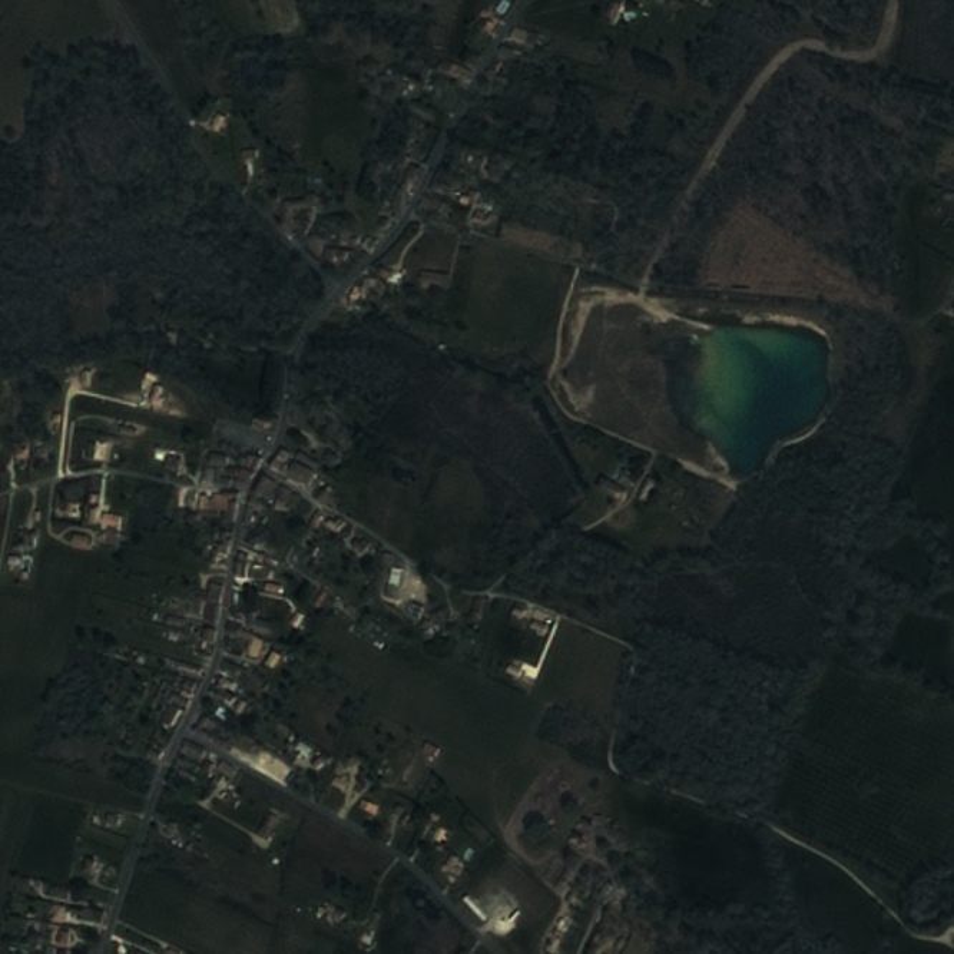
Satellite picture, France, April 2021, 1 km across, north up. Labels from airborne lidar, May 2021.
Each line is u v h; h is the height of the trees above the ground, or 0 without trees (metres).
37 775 0
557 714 7
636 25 0
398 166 11
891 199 27
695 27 0
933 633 0
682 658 22
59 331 15
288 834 0
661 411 0
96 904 7
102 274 13
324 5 13
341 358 21
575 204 16
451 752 0
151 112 23
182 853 0
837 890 0
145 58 16
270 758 0
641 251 13
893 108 17
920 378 0
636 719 21
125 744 9
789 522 18
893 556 0
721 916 21
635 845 0
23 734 0
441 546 0
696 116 9
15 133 13
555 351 0
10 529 0
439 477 0
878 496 16
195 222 16
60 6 0
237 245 10
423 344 20
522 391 14
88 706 11
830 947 16
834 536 11
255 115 10
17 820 0
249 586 7
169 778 7
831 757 10
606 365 0
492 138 14
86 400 0
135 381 0
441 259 0
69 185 9
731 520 15
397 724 0
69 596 0
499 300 0
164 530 9
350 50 0
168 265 12
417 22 7
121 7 0
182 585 6
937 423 0
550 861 0
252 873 0
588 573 18
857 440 19
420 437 0
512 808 0
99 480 0
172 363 24
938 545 22
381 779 12
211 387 20
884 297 12
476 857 0
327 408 11
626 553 16
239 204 17
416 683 0
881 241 20
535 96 0
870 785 10
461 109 0
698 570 22
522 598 0
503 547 16
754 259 0
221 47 11
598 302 0
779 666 20
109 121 17
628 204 14
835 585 0
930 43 0
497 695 0
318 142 0
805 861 8
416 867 0
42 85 11
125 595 0
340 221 7
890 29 0
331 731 10
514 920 0
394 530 0
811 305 8
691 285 17
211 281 17
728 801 9
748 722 18
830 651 10
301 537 16
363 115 0
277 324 21
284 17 0
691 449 0
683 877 0
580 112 16
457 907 0
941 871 18
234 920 0
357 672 0
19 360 20
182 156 18
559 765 0
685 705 17
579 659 0
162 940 0
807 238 16
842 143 25
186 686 0
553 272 0
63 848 0
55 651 0
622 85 0
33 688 0
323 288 14
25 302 18
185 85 0
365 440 15
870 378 16
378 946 0
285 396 0
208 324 7
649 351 0
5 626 0
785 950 8
